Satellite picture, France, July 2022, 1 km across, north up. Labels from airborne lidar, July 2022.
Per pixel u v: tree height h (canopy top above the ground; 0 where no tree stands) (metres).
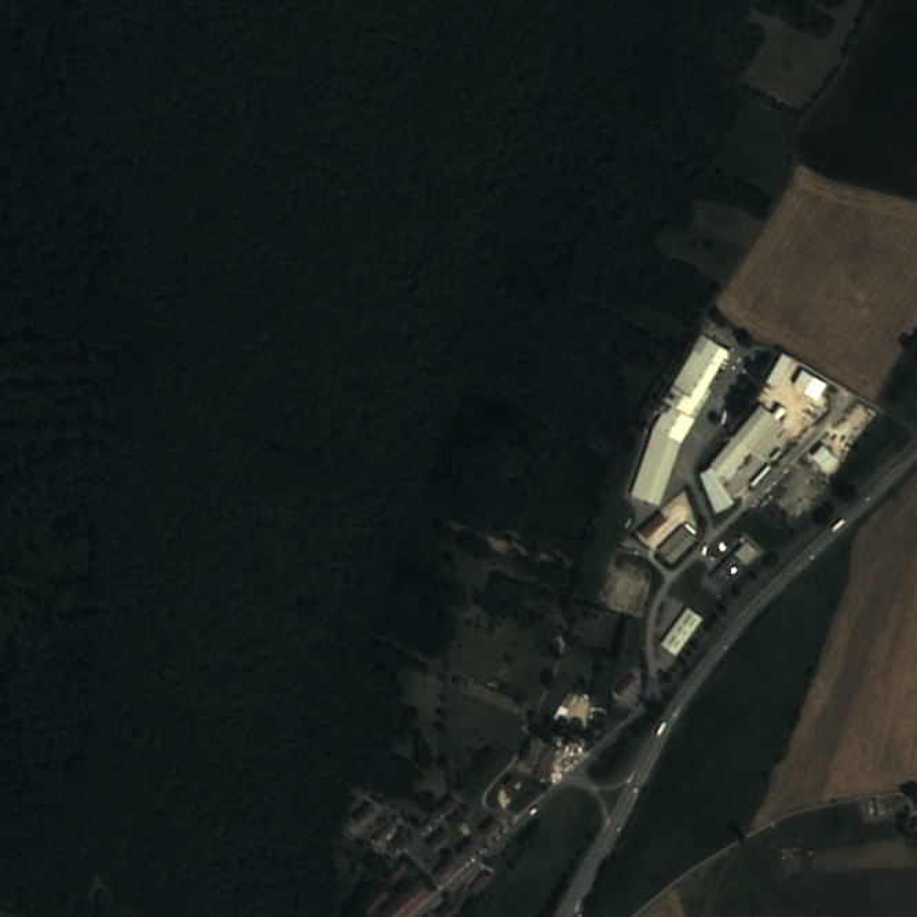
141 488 17
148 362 22
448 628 20
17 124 27
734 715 0
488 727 0
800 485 0
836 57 0
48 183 25
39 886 16
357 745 12
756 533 0
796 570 0
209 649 16
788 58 0
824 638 0
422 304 15
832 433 0
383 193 14
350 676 21
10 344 20
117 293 21
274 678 15
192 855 14
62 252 25
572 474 7
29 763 30
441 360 15
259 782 8
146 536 17
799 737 0
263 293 27
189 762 16
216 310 23
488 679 0
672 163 15
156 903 17
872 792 0
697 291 18
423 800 14
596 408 15
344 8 18
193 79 16
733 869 0
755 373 14
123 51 16
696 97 21
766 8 7
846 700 0
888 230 0
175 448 18
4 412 8
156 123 17
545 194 19
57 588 20
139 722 18
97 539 20
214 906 15
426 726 0
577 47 22
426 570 23
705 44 7
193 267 21
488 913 0
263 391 20
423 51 17
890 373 0
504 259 15
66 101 22
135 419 18
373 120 14
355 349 18
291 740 12
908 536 0
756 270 0
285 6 16
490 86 14
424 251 11
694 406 0
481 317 21
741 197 7
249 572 18
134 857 14
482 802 0
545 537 13
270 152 16
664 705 17
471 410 11
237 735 11
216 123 17
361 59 10
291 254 22
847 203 0
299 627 15
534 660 0
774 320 0
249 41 14
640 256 9
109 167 17
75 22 22
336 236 18
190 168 19
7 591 10
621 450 11
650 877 0
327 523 14
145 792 13
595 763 0
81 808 19
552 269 26
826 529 0
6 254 23
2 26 23
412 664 19
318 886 13
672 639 0
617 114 20
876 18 0
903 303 0
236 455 17
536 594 10
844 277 0
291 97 14
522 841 13
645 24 27
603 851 0
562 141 19
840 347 0
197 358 21
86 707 20
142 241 21
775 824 0
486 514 22
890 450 0
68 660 24
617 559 0
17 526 32
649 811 0
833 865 0
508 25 17
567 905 0
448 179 9
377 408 13
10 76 26
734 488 0
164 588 16
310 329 18
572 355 17
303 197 18
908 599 0
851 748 0
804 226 0
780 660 0
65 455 23
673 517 0
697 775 0
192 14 15
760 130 0
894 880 0
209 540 15
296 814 15
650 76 24
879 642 0
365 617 21
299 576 25
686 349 10
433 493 19
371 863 18
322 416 22
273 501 15
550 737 11
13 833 17
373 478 25
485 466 24
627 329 17
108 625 19
